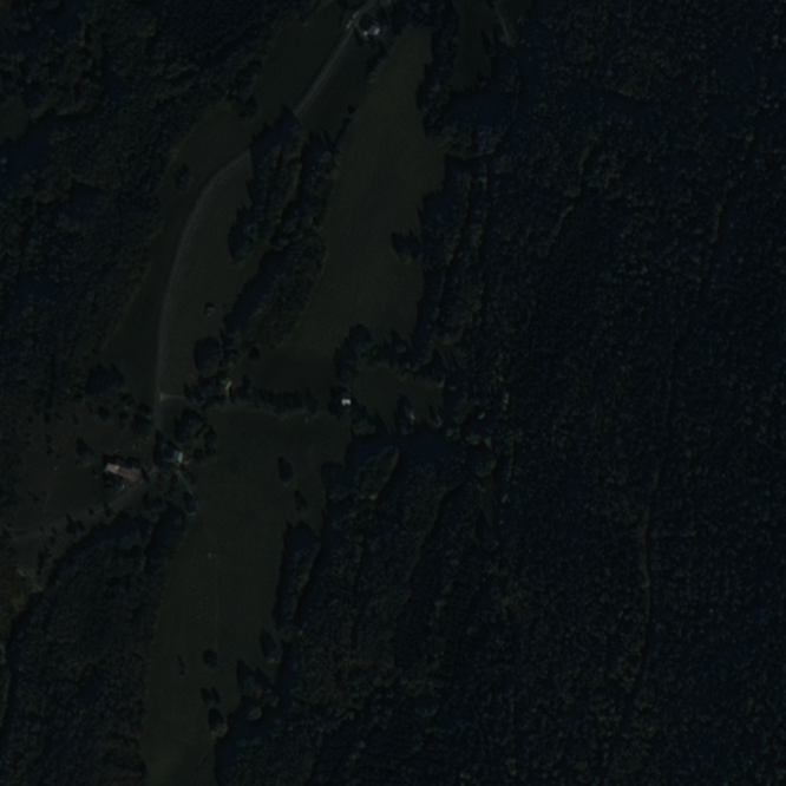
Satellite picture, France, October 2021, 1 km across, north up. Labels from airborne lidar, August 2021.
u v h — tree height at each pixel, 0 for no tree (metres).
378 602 25
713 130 23
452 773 18
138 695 17
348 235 0
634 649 20
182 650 0
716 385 19
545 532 15
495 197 19
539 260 7
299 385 0
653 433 24
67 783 16
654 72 30
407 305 0
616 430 23
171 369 0
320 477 0
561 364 20
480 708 12
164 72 25
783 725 20
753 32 22
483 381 15
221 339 0
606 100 13
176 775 0
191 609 0
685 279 25
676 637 12
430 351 13
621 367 25
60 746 14
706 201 15
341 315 0
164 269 0
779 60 16
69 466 0
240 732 0
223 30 24
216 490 0
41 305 31
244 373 0
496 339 20
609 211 19
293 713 24
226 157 0
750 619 16
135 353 0
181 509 0
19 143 0
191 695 0
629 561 19
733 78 19
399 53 0
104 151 27
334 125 0
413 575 15
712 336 19
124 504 0
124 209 21
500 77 23
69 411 0
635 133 29
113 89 23
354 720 15
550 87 29
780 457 16
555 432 21
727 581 18
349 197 0
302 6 13
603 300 22
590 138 25
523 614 20
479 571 13
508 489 11
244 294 0
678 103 25
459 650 12
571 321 19
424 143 0
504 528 12
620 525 18
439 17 12
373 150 0
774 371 24
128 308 9
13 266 19
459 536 22
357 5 0
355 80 0
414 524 20
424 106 17
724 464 19
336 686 24
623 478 20
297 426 0
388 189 0
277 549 0
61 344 18
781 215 17
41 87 21
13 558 10
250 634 0
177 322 0
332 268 0
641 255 25
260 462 0
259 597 0
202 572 0
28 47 15
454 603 14
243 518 0
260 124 0
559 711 21
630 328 27
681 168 27
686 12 29
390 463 20
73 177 28
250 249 13
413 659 17
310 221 13
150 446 0
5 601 25
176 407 0
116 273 21
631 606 19
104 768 13
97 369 0
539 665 23
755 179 29
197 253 0
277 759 24
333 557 21
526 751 21
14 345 24
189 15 23
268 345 11
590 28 24
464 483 17
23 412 11
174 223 0
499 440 16
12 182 24
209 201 0
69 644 15
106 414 13
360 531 10
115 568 18
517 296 21
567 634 23
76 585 24
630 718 20
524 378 15
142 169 17
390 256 0
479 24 0
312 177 21
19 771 29
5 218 26
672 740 13
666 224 15
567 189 25
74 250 17
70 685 22
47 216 12
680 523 18
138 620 18
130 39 23
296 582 22
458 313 24
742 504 32
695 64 25
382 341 0
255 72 14
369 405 0
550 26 20
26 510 0
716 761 15
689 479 11
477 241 17
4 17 0
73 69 26
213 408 13
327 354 0
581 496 25
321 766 14
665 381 19
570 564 13
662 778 14
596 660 18
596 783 18
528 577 25
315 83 0
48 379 10
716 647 13
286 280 20
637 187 29
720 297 16
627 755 18
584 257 17
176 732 0
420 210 0
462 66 0
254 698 19
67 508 0
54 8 14
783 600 10
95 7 21
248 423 0
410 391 0
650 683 18
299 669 25
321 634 23
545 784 13
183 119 8
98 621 14
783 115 26
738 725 19
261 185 13
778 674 13
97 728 16
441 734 13
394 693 16
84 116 19
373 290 0
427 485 19
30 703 27
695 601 16
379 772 11
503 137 16
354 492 16
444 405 0
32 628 24
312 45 0
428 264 13
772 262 19
